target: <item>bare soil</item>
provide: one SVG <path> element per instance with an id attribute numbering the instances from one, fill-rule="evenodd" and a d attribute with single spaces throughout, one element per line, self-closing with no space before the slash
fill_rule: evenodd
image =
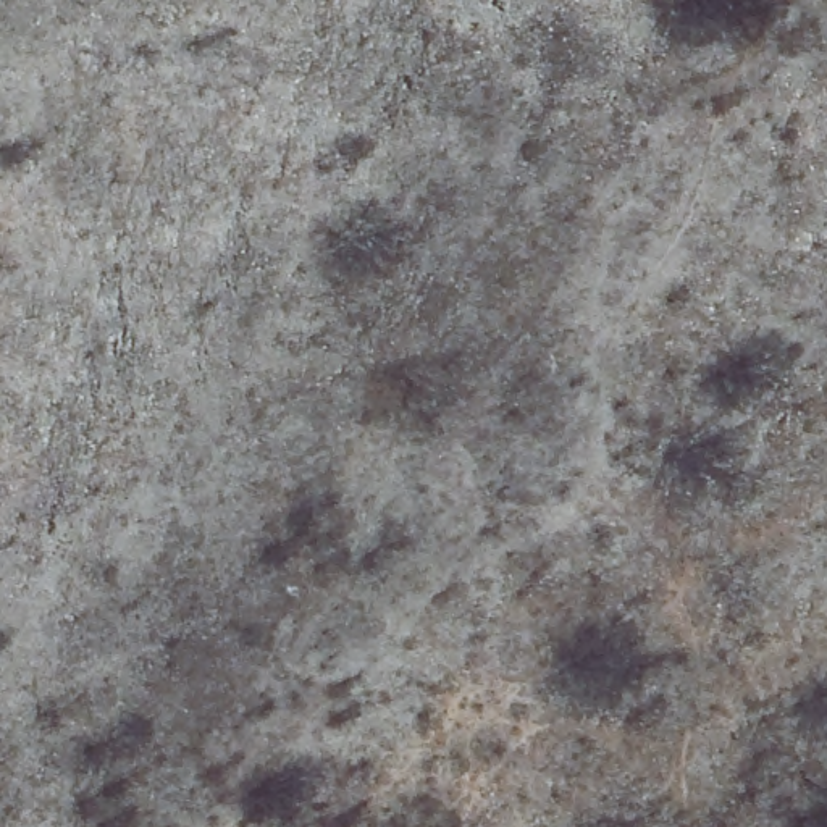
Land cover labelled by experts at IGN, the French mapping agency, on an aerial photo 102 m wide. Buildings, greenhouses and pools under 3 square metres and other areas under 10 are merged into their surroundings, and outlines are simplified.
<path id="1" fill-rule="evenodd" d="M 136 808 L 136 827 L 575 827 L 598 817 L 633 821 L 659 795 L 675 795 L 682 798 L 682 804 L 707 801 L 714 808 L 714 801 L 720 801 L 724 791 L 756 788 L 762 766 L 782 756 L 782 746 L 762 746 L 746 753 L 730 740 L 730 733 L 740 724 L 746 724 L 743 698 L 769 698 L 779 688 L 795 685 L 798 733 L 804 740 L 827 743 L 827 0 L 0 0 L 0 827 L 94 827 L 74 814 L 74 798 L 100 791 L 113 779 L 126 779 L 129 785 L 126 798 Z"/>

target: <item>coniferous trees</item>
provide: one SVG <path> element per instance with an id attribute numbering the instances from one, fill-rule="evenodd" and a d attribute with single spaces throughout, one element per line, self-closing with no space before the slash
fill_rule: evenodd
<path id="1" fill-rule="evenodd" d="M 74 798 L 74 814 L 94 827 L 136 827 L 136 808 L 126 798 L 129 785 L 126 779 L 113 779 L 100 791 Z"/>
<path id="2" fill-rule="evenodd" d="M 782 756 L 762 766 L 756 788 L 724 791 L 720 801 L 714 801 L 714 808 L 707 801 L 682 804 L 682 798 L 675 795 L 659 795 L 633 821 L 598 817 L 575 827 L 827 827 L 827 743 L 804 740 L 798 733 L 795 685 L 779 688 L 769 698 L 743 698 L 746 724 L 740 724 L 730 733 L 730 740 L 746 753 L 762 746 L 782 746 Z"/>

